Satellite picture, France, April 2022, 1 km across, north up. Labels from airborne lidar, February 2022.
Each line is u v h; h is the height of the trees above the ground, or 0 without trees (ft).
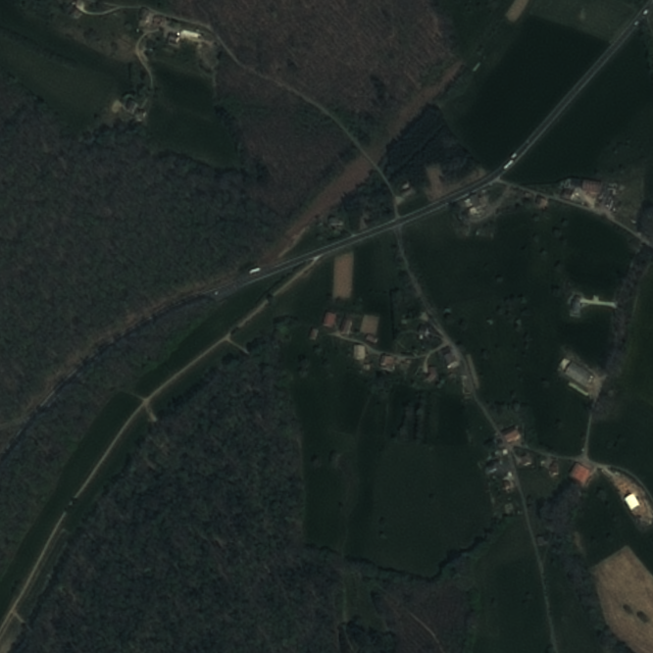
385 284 0
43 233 80
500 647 0
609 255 0
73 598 94
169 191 93
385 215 28
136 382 42
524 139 0
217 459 84
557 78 0
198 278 94
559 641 0
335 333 0
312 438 0
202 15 78
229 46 56
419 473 0
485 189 0
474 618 62
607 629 33
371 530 0
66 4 21
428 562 0
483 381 0
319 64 49
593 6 0
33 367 93
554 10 0
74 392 82
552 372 0
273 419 105
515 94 0
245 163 35
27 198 79
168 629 38
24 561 0
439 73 36
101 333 78
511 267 0
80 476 0
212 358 0
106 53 0
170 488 84
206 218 80
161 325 81
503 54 0
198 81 0
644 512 0
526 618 0
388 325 0
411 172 69
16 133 90
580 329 0
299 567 88
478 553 53
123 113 0
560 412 0
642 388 0
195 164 59
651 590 0
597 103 0
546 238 0
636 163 0
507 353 0
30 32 0
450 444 0
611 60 0
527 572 0
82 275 88
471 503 0
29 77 0
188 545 86
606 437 0
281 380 106
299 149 41
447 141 67
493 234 0
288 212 44
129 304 92
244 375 89
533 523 0
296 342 0
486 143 0
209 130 0
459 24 0
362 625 61
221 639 75
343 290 0
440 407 0
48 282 91
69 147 84
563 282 0
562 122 0
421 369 0
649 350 0
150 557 84
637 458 0
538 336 0
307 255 0
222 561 79
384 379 72
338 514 0
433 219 0
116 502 86
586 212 0
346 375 0
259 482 96
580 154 0
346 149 41
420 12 63
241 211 91
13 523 94
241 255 88
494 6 30
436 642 28
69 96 0
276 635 71
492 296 0
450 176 59
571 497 99
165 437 78
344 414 0
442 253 0
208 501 80
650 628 0
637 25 0
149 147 62
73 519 0
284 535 99
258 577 80
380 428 0
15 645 0
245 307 0
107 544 55
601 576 0
